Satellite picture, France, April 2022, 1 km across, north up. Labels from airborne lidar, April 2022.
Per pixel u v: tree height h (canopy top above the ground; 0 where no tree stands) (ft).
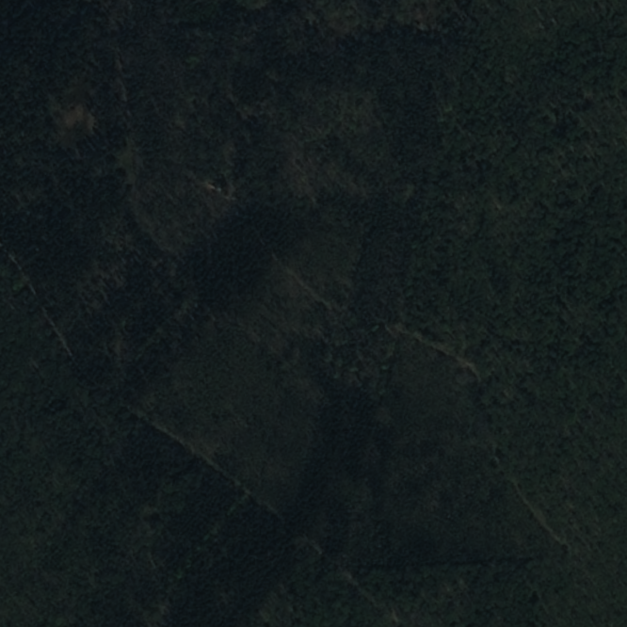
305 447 72
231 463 58
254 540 89
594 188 85
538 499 76
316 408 70
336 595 35
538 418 84
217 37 94
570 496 76
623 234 84
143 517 68
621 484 92
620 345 100
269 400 62
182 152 83
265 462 62
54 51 94
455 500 55
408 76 76
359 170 68
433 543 57
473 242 87
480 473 56
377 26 54
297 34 60
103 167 102
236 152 82
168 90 87
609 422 84
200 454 70
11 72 99
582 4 89
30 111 54
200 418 60
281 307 48
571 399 84
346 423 80
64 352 69
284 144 98
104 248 78
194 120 92
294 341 59
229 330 66
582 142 94
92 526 69
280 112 87
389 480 57
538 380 91
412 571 83
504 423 88
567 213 82
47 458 86
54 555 73
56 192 94
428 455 52
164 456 96
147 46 96
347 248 53
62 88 92
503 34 87
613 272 90
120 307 92
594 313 93
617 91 89
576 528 82
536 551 55
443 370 53
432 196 79
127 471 106
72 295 72
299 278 44
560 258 92
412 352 52
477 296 74
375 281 70
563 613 78
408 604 80
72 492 85
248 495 67
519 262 78
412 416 56
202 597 86
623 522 89
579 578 75
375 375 73
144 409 60
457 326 77
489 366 87
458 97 87
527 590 86
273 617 76
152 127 91
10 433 76
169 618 56
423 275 77
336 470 65
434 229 87
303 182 92
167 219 69
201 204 69
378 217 77
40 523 73
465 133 81
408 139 79
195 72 89
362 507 67
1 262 87
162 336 77
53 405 69
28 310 87
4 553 81
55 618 76
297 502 69
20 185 88
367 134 80
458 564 89
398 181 84
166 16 89
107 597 72
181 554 90
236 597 84
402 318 73
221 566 81
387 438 54
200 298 74
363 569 70
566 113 79
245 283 81
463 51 74
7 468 82
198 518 73
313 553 80
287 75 74
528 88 78
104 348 72
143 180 58
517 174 81
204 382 74
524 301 80
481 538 56
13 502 65
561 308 78
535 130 73
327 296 56
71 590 61
